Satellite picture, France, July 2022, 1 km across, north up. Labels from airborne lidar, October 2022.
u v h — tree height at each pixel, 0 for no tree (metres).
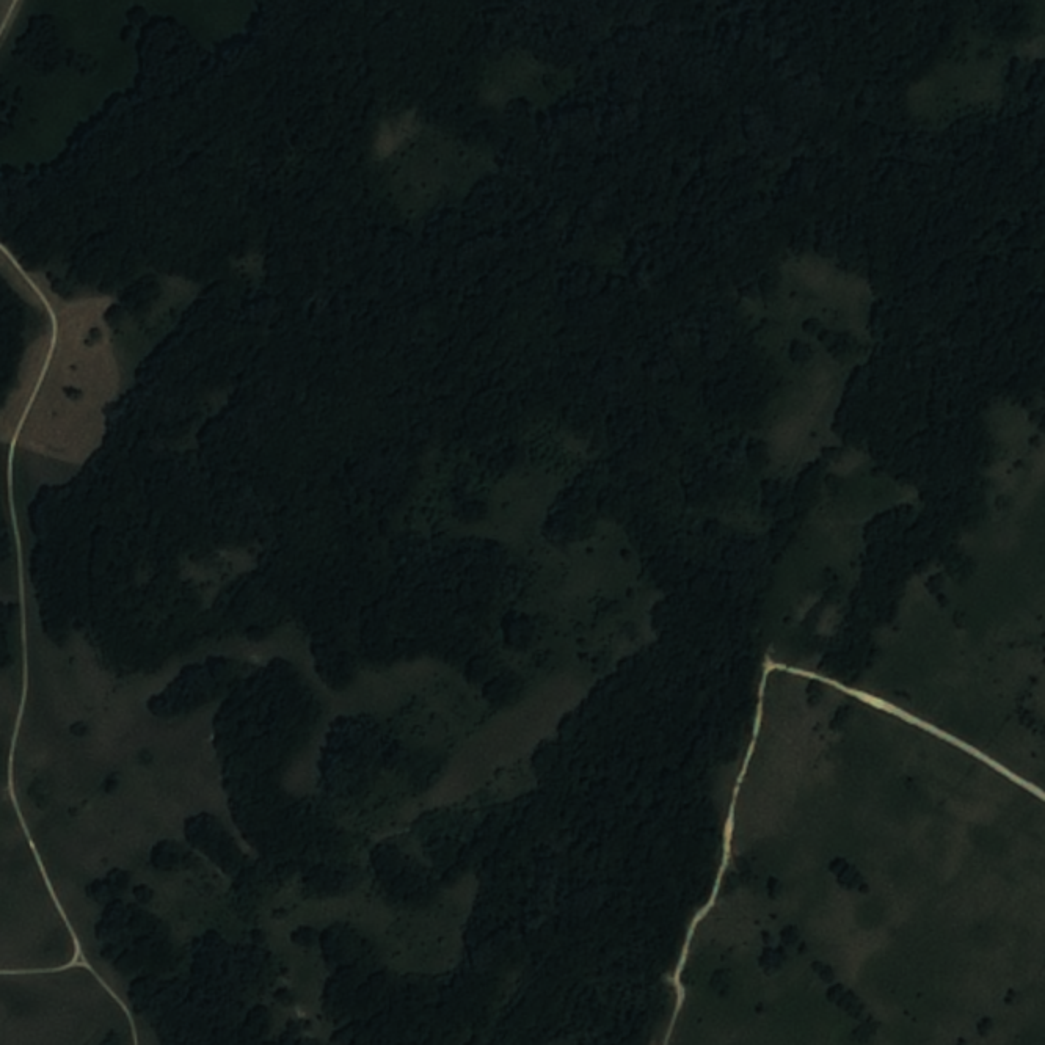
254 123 14
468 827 6
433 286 15
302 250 15
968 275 10
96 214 10
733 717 17
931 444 18
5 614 20
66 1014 0
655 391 7
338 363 20
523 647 12
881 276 19
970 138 13
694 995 0
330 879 15
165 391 15
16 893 0
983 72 0
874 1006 0
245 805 16
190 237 17
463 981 14
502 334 10
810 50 18
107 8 0
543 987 12
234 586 7
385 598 13
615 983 18
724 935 0
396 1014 18
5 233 16
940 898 0
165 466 16
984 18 7
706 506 12
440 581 16
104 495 12
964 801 0
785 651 0
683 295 14
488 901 13
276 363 19
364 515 10
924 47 17
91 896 6
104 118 14
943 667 0
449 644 15
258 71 16
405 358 17
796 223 14
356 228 17
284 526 12
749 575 23
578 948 13
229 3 0
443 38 19
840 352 13
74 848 0
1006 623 0
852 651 13
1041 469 0
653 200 19
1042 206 7
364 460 22
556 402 18
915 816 0
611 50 25
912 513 15
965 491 13
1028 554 0
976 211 21
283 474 14
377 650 15
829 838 0
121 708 0
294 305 17
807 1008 0
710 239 13
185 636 10
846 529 0
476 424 19
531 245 21
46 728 0
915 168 18
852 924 0
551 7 24
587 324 25
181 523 14
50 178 17
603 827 18
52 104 0
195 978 9
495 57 18
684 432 9
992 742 0
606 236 11
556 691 0
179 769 0
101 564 15
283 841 15
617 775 23
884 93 18
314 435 17
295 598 15
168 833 0
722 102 15
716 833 19
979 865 0
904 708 0
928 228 20
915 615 0
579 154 18
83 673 0
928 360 12
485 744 0
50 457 0
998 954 0
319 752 0
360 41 11
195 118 14
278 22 20
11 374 15
